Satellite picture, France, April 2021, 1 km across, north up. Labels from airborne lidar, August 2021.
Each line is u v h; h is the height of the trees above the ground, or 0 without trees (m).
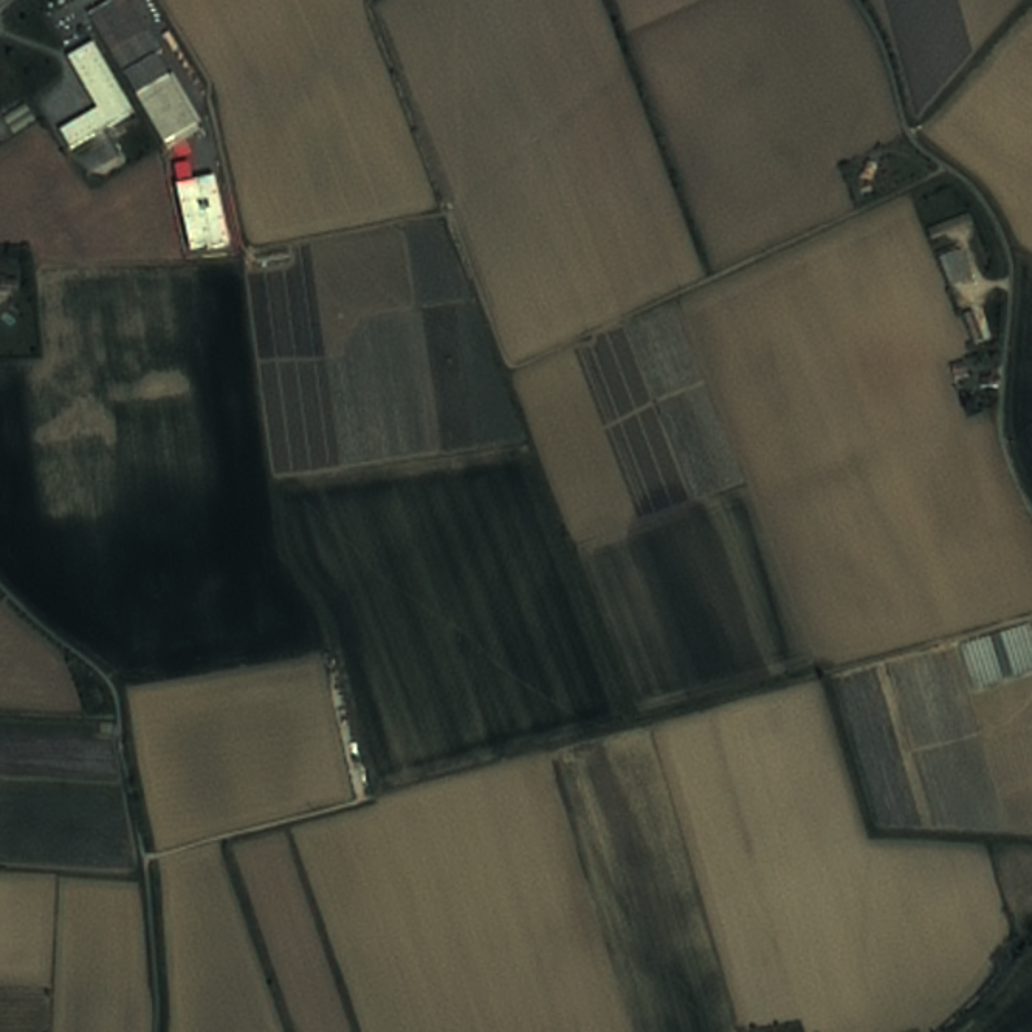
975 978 0
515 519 0
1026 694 0
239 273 0
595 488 0
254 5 0
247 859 0
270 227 0
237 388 0
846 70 0
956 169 0
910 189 0
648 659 0
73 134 0
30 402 0
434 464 0
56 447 0
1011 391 0
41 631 8
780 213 0
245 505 0
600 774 0
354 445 0
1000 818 0
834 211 0
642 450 0
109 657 0
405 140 0
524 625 0
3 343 0
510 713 0
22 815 0
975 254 0
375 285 0
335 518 0
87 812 0
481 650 0
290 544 0
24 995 0
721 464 0
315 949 0
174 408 0
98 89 0
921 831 0
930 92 0
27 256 6
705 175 0
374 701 0
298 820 0
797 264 0
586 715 0
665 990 0
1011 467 0
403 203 0
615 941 0
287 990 0
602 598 0
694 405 0
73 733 0
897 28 0
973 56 0
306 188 0
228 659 0
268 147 0
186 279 0
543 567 0
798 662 0
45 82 0
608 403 0
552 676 0
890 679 0
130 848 0
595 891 0
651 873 0
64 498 0
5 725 0
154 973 0
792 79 0
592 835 0
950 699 0
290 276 0
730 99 0
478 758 0
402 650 0
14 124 0
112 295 0
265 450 0
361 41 0
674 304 0
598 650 0
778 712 0
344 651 0
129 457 0
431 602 0
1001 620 0
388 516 0
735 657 0
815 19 0
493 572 0
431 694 0
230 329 0
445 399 0
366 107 0
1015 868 0
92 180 0
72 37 0
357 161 0
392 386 0
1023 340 0
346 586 0
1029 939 0
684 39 0
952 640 0
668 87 0
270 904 0
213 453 0
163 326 0
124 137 0
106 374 0
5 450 0
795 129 0
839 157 0
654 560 0
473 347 0
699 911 0
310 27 0
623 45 8
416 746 0
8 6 0
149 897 0
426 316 0
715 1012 0
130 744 12
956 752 0
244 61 0
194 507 0
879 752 0
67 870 0
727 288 0
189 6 0
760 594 0
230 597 0
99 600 0
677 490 0
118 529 0
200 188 0
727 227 0
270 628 0
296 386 0
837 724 0
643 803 0
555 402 0
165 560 0
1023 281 0
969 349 7
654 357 0
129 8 0
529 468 0
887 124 0
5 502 0
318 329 0
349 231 0
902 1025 0
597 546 0
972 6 0
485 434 0
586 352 0
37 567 0
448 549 0
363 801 0
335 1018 0
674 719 0
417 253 0
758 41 0
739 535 0
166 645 0
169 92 0
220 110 0
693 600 0
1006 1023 0
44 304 0
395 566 0
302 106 0
